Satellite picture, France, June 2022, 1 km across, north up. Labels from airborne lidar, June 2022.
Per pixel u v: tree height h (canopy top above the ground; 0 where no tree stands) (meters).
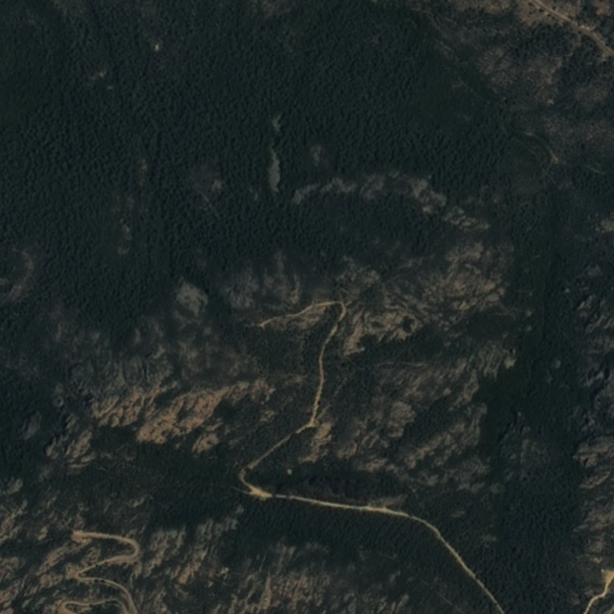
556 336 10
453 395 6
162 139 16
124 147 13
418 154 12
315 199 11
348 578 0
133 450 7
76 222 13
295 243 13
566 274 6
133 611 0
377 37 12
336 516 8
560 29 7
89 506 8
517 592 11
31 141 14
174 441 7
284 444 10
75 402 5
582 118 9
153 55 11
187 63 10
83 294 12
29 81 11
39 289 8
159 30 8
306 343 6
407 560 8
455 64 8
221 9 5
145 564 0
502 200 8
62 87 17
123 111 13
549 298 6
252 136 13
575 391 10
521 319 6
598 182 12
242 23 12
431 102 6
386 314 0
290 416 7
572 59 12
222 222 11
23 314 9
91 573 11
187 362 0
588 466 6
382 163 13
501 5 0
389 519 8
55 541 9
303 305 6
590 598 7
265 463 9
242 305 0
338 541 10
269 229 13
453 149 13
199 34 6
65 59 9
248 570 0
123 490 9
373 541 11
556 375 6
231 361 0
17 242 12
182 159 12
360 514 8
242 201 12
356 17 15
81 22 9
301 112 15
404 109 6
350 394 6
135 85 13
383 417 0
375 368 8
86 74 13
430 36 8
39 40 6
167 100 18
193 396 0
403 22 11
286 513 12
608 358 7
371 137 13
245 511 7
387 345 10
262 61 11
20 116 8
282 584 0
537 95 8
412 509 7
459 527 10
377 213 11
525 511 13
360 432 0
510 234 11
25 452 13
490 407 8
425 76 11
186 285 0
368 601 0
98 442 11
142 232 10
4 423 7
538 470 9
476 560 11
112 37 19
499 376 8
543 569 10
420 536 7
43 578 0
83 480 9
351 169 10
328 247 9
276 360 9
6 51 11
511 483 5
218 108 13
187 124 11
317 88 15
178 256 16
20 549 11
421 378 0
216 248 14
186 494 8
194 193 12
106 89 14
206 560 0
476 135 14
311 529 11
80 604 0
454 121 6
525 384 10
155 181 16
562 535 12
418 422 11
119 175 13
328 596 0
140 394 0
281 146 11
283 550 0
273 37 8
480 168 16
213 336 0
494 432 10
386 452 8
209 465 9
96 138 15
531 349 6
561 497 8
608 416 10
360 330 0
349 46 14
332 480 22
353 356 6
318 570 0
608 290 7
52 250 10
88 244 11
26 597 6
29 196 14
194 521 6
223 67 11
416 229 11
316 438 0
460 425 0
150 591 0
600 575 0
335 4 5
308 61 18
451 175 15
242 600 0
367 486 14
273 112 8
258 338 8
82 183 11
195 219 8
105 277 13
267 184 9
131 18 11
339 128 16
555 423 7
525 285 13
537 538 8
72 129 17
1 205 10
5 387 8
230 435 8
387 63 12
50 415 9
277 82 11
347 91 12
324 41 15
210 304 7
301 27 6
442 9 8
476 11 11
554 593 7
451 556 8
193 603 0
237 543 8
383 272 7
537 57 7
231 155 12
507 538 10
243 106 14
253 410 7
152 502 9
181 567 0
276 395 8
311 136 17
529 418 6
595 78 10
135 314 13
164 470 8
